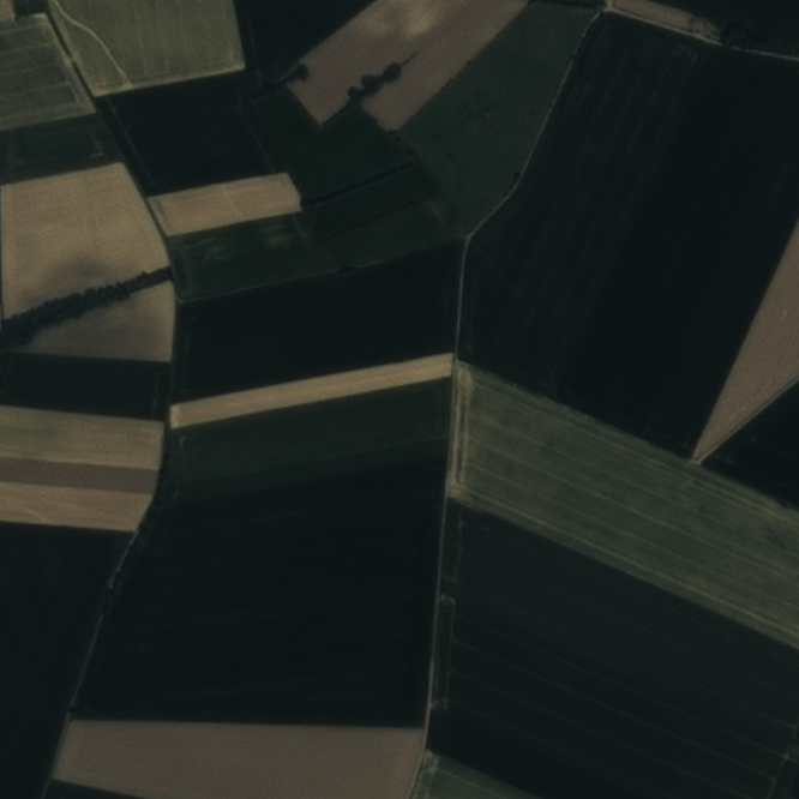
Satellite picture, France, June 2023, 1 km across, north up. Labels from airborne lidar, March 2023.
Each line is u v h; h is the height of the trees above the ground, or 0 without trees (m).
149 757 0
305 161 0
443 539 0
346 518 0
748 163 0
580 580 0
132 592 0
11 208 0
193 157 0
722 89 0
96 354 0
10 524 0
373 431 0
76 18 0
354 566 0
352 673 0
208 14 0
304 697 0
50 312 18
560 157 0
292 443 0
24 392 0
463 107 0
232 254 0
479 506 0
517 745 0
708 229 0
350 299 0
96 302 18
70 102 0
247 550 0
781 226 0
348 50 0
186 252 0
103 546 0
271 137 0
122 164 0
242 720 0
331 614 0
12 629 0
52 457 0
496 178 0
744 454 0
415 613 0
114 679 0
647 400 0
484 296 0
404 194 0
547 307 0
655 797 0
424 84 0
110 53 0
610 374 0
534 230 0
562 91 0
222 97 0
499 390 0
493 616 0
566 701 0
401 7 0
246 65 0
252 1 0
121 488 0
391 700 0
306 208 11
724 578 0
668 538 0
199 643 0
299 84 0
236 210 0
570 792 0
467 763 0
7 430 0
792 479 0
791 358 0
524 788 0
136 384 0
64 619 0
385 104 0
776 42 0
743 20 0
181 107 0
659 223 0
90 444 0
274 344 0
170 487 0
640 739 0
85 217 0
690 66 0
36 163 0
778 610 0
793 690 0
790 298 0
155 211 0
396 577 0
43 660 0
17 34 0
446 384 0
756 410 0
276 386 0
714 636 0
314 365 0
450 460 0
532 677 0
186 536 0
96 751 0
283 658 0
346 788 0
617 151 0
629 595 0
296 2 0
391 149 0
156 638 0
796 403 0
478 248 0
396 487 0
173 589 0
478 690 0
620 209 0
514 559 0
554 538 0
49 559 0
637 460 0
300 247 0
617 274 0
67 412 0
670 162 0
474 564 0
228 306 0
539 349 0
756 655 0
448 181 0
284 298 0
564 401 0
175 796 0
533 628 0
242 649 0
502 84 0
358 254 0
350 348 0
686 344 0
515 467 0
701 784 0
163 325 0
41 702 0
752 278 0
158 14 0
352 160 0
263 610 0
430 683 0
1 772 0
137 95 0
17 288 0
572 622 0
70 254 0
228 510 0
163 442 0
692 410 0
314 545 0
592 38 0
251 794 0
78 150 0
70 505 0
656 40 0
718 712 0
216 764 0
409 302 0
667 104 0
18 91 0
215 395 0
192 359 0
